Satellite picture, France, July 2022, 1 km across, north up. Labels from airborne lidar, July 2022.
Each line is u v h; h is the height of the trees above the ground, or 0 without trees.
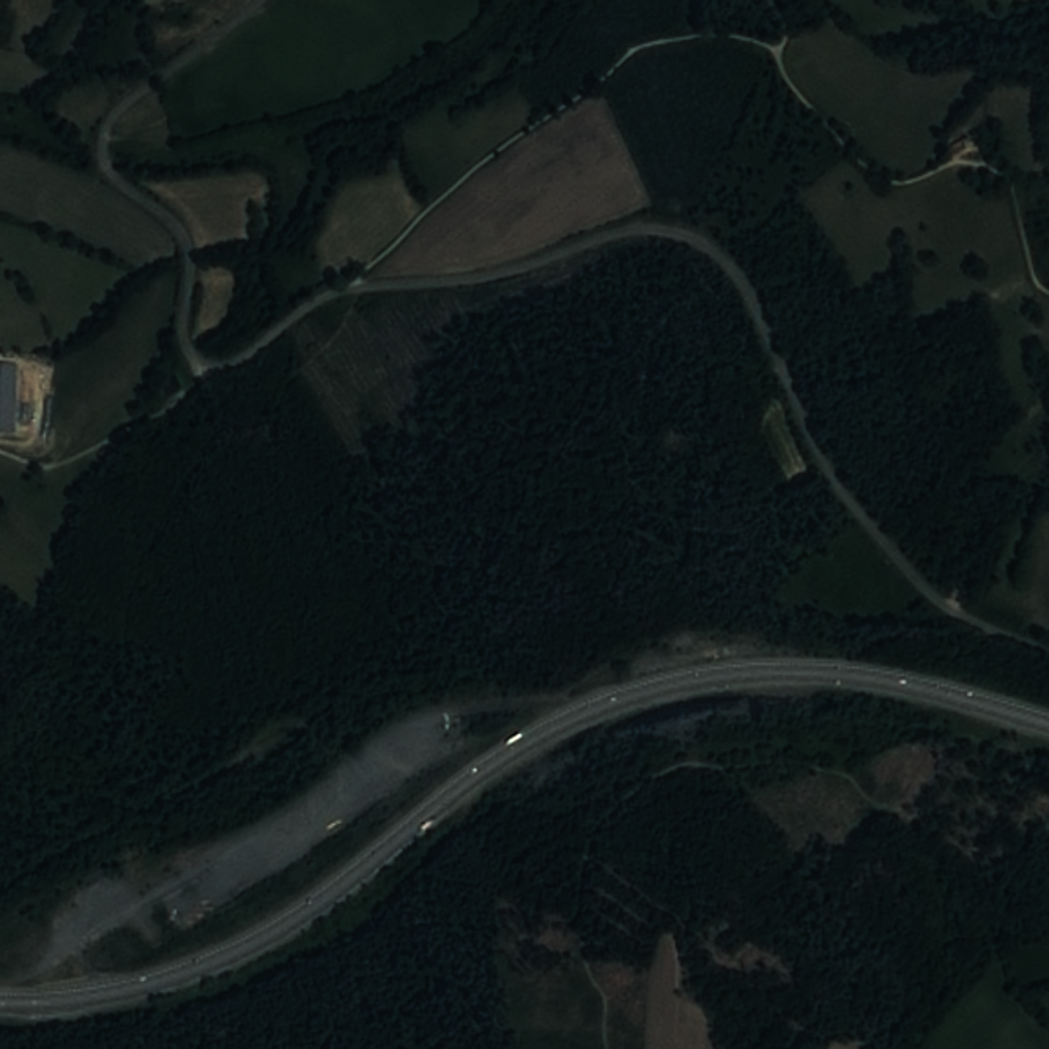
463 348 14
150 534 6
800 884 22
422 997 25
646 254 11
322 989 21
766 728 9
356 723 14
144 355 0
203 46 0
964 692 0
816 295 27
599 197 0
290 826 0
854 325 28
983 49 31
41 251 0
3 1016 0
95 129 7
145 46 18
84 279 0
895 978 23
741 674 0
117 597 8
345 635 9
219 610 8
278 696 13
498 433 24
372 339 0
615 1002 0
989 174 17
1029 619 0
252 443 15
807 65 0
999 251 0
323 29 0
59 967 0
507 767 0
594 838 15
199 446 7
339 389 0
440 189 0
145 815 16
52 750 8
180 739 15
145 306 0
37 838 17
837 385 27
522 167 0
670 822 14
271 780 9
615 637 16
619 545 20
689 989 7
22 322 0
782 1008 15
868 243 0
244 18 0
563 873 17
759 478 19
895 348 16
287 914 0
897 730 11
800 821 0
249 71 0
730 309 18
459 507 18
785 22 18
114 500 7
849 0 0
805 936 30
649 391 9
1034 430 0
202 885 0
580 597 18
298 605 12
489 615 14
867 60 0
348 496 13
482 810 9
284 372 6
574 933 14
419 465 30
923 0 12
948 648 19
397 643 17
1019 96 0
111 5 20
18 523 0
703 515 25
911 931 18
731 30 27
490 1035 30
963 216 0
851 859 23
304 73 0
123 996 0
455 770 0
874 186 18
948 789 8
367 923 7
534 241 0
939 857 17
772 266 13
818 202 0
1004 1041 0
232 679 7
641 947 20
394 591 13
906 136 0
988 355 18
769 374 13
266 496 10
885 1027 20
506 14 6
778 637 9
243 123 7
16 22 0
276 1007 21
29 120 0
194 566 9
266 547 9
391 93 8
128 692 8
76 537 17
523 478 22
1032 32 16
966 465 25
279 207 13
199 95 0
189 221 0
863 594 0
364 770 0
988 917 16
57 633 19
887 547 0
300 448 9
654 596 18
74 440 0
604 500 22
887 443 25
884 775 0
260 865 0
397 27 0
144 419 18
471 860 23
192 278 0
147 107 0
